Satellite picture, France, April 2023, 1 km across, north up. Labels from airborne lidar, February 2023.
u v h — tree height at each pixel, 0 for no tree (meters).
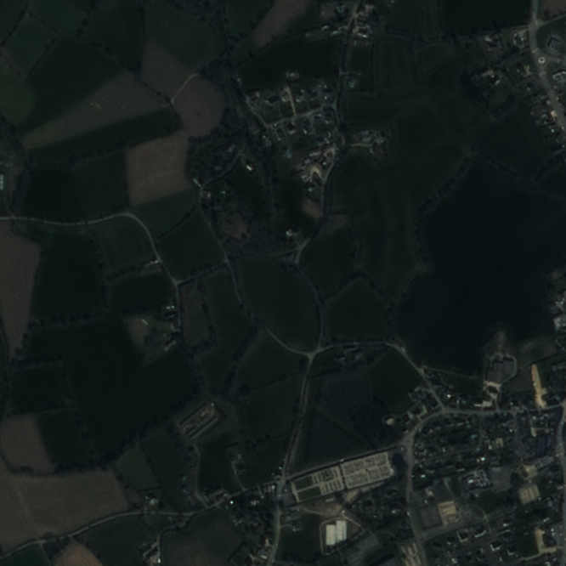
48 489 0
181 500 0
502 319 0
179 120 11
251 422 0
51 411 12
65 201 0
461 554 0
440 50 0
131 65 0
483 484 0
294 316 0
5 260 0
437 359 0
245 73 0
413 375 0
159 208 0
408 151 0
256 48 0
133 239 0
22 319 0
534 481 0
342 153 12
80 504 0
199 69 0
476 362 0
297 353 0
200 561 0
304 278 18
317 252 0
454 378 0
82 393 0
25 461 0
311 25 0
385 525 12
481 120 0
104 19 0
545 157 0
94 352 0
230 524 0
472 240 0
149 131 0
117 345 0
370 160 0
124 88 0
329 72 0
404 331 0
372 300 0
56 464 8
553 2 0
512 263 0
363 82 0
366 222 0
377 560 0
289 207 0
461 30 0
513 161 0
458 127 0
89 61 0
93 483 0
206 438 0
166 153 0
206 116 0
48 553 7
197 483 0
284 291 0
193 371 14
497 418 7
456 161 0
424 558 0
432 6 0
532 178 0
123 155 0
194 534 0
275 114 0
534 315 0
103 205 0
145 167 0
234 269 13
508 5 0
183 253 0
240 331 0
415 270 0
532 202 0
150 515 11
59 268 0
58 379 0
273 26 0
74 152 0
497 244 0
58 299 0
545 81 0
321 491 0
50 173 0
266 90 0
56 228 0
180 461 0
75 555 0
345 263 0
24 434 0
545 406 0
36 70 0
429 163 0
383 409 14
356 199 0
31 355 0
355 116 0
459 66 0
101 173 0
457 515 0
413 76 0
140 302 0
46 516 0
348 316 0
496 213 0
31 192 0
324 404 16
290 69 0
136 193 0
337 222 0
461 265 0
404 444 0
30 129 0
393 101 0
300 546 0
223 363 0
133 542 0
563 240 0
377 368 0
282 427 0
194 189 0
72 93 0
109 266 0
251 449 12
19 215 10
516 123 0
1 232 0
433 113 0
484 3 0
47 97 0
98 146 0
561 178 0
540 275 0
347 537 0
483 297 0
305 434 0
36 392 0
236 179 0
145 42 0
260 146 8
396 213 0
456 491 0
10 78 0
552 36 0
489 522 0
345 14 8
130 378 0
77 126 0
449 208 0
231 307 0
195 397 12
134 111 0
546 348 0
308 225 0
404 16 0
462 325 0
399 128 0
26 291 0
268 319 0
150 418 0
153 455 0
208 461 0
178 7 16
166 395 0
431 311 0
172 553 0
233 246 15
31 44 0
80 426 16
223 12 13
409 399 0
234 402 14
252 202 0
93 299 0
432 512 0
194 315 0
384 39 0
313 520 0
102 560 13
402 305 0
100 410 0
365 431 14
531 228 0
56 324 13
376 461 0
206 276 7
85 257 0
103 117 0
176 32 0
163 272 9
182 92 0
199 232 0
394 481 10
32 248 0
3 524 0
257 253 25
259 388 0
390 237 0
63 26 0
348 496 0
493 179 0
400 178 0
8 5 0
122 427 0
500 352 0
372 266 0
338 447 17
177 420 0
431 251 0
